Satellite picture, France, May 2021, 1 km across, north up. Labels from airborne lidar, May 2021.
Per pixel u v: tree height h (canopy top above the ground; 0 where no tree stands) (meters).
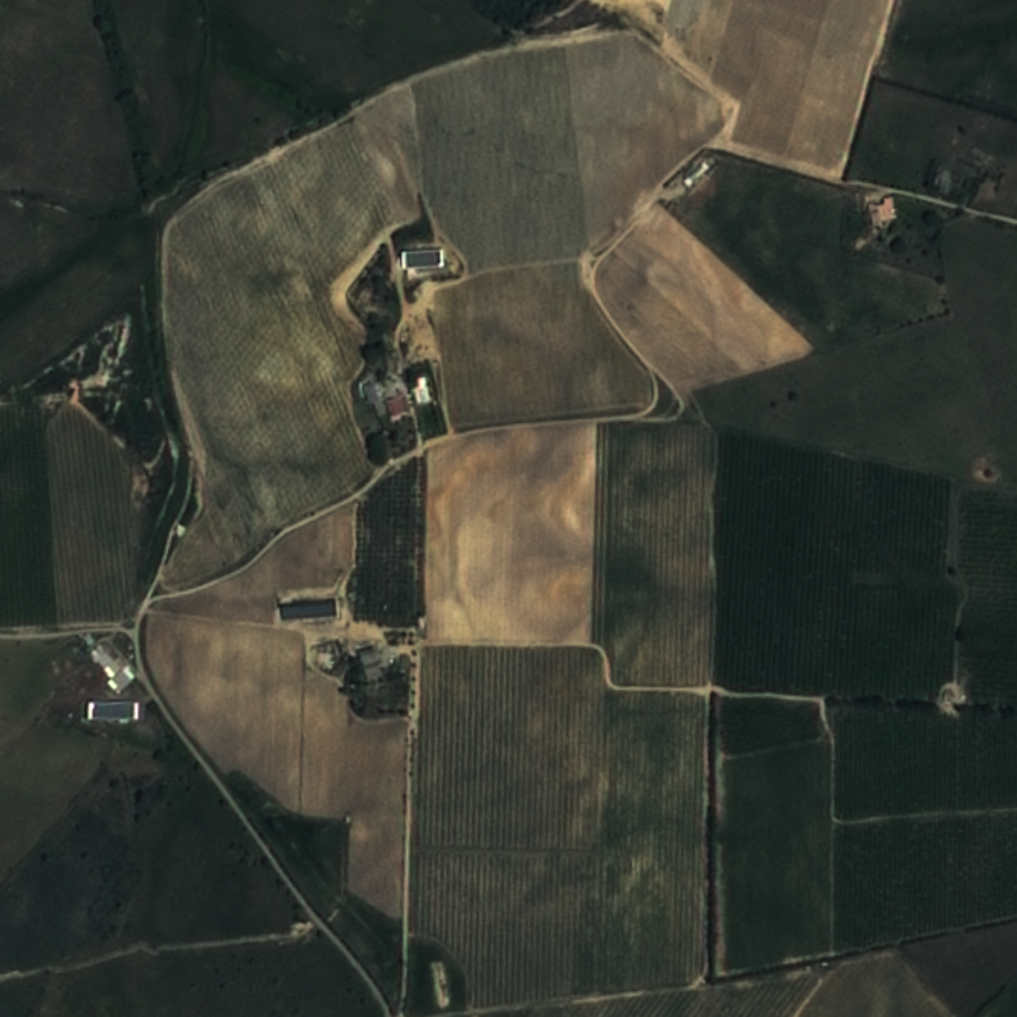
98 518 0
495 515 0
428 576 0
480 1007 0
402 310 0
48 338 0
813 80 0
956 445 0
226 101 0
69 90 0
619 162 0
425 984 0
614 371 0
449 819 0
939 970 0
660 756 0
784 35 0
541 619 0
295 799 0
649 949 0
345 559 0
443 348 0
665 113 0
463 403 0
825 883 0
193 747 0
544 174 0
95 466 0
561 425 0
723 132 0
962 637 15
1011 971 0
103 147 0
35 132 0
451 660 0
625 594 0
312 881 0
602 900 0
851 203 0
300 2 0
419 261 0
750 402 0
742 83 0
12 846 0
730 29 0
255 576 0
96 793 0
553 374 0
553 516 0
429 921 0
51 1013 0
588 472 0
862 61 0
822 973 0
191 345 0
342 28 0
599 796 0
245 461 0
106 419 10
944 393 0
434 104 0
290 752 0
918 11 0
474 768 0
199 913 0
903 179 0
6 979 0
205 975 0
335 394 0
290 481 0
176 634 0
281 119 0
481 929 0
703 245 0
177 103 0
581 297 0
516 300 0
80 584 0
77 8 0
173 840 0
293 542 0
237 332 0
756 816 0
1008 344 0
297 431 0
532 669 0
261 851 0
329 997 0
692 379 0
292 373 0
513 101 0
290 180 0
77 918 0
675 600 0
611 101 0
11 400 0
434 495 0
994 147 0
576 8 0
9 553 0
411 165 0
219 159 0
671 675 0
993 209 0
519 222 0
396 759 0
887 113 0
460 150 0
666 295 0
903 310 0
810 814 0
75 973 0
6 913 0
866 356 0
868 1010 0
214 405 0
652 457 0
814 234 0
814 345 0
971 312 0
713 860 13
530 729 0
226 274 0
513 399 0
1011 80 0
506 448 0
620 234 0
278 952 0
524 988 0
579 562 0
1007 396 0
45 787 0
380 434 8
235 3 0
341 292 0
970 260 0
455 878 0
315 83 0
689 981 0
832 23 0
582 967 0
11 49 0
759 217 0
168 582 0
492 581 0
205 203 0
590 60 0
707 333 0
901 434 0
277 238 0
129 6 0
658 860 0
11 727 0
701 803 0
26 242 0
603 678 0
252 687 0
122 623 0
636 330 0
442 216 0
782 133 0
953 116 0
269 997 0
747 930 0
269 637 0
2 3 0
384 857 0
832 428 0
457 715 0
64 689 0
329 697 0
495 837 0
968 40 0
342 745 0
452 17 0
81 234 0
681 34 0
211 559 0
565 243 0
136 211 7
